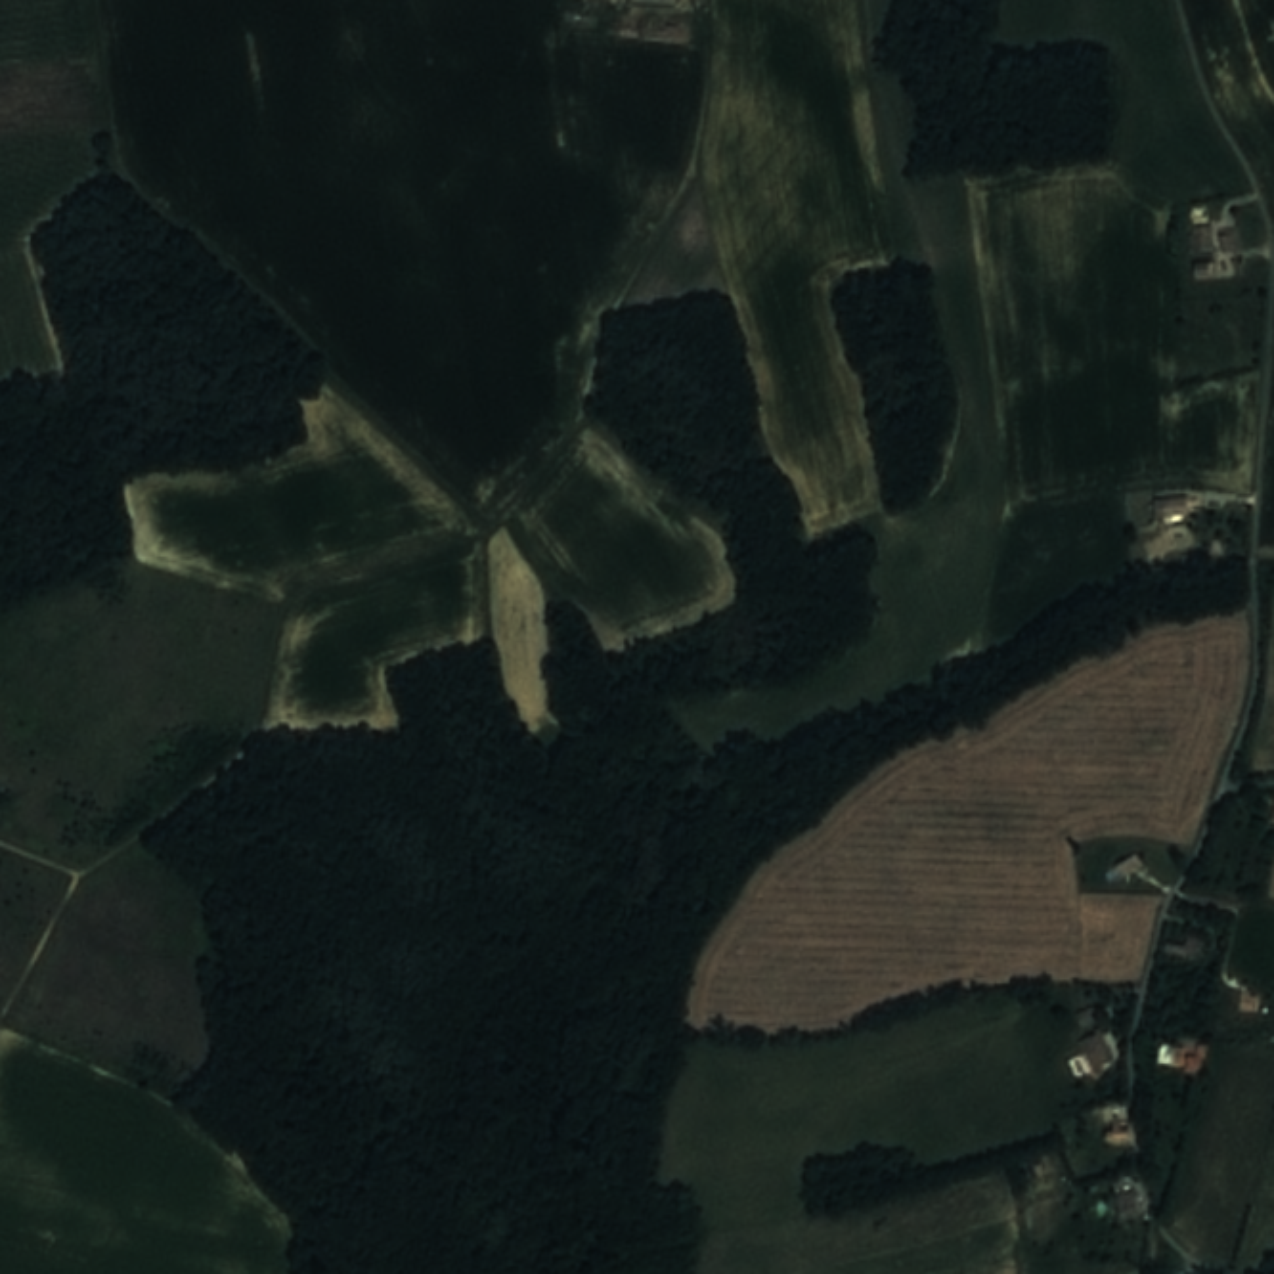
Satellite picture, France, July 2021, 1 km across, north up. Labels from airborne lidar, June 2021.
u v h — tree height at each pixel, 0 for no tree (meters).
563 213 0
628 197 0
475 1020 12
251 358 22
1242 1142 0
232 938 19
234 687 0
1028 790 0
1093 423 0
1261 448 0
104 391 10
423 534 0
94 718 0
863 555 20
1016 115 24
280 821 18
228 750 5
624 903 18
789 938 0
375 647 0
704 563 0
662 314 16
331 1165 21
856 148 0
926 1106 0
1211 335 0
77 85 0
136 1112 0
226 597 0
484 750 23
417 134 0
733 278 0
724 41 0
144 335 17
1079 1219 6
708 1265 0
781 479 17
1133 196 0
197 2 0
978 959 0
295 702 0
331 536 0
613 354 17
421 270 0
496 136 0
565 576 0
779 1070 0
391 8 0
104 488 12
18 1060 0
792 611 18
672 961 25
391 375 0
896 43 21
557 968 25
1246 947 0
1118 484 0
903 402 7
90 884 0
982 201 0
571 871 20
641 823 29
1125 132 0
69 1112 0
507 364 0
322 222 0
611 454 0
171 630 0
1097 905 0
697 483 10
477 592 0
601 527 0
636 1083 6
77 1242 0
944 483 21
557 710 14
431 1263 16
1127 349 0
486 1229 23
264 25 0
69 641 0
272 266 0
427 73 0
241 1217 0
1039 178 0
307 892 18
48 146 0
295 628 0
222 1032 17
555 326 0
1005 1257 0
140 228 23
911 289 25
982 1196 0
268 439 17
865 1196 17
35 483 24
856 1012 0
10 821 0
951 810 0
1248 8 0
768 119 0
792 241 0
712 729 0
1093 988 6
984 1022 0
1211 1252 0
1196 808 0
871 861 0
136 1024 0
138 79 0
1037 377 0
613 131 0
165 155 0
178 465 14
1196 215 0
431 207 0
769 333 0
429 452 0
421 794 18
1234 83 0
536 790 22
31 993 0
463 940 12
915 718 19
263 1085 23
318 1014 24
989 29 24
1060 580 0
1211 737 0
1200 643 0
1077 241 0
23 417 23
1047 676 16
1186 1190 0
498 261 0
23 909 0
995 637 0
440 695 18
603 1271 15
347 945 20
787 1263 0
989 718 14
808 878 0
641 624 0
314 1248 15
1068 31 0
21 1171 0
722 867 27
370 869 17
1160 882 0
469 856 21
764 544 19
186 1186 0
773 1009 0
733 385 20
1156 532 0
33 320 0
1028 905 0
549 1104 27
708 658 10
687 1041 14
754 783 22
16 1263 0
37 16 0
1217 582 19
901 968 0
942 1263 0
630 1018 24
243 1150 17
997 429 0
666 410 15
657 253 0
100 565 10
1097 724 0
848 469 0
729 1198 0
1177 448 0
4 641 0
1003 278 0
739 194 0
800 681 23
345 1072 12
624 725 14
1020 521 0
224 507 0
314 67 0
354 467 0
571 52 0
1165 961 6
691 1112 0
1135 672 0
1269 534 0
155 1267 0
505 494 0
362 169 0
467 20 0
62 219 15
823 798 17
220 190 0
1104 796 0
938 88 22
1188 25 0
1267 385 0
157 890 0
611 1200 19
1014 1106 0
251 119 0
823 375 0
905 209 0
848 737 25
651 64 0
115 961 0
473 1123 22
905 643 0
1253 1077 0
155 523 0
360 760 19
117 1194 0
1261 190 0
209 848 18
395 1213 25
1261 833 10
